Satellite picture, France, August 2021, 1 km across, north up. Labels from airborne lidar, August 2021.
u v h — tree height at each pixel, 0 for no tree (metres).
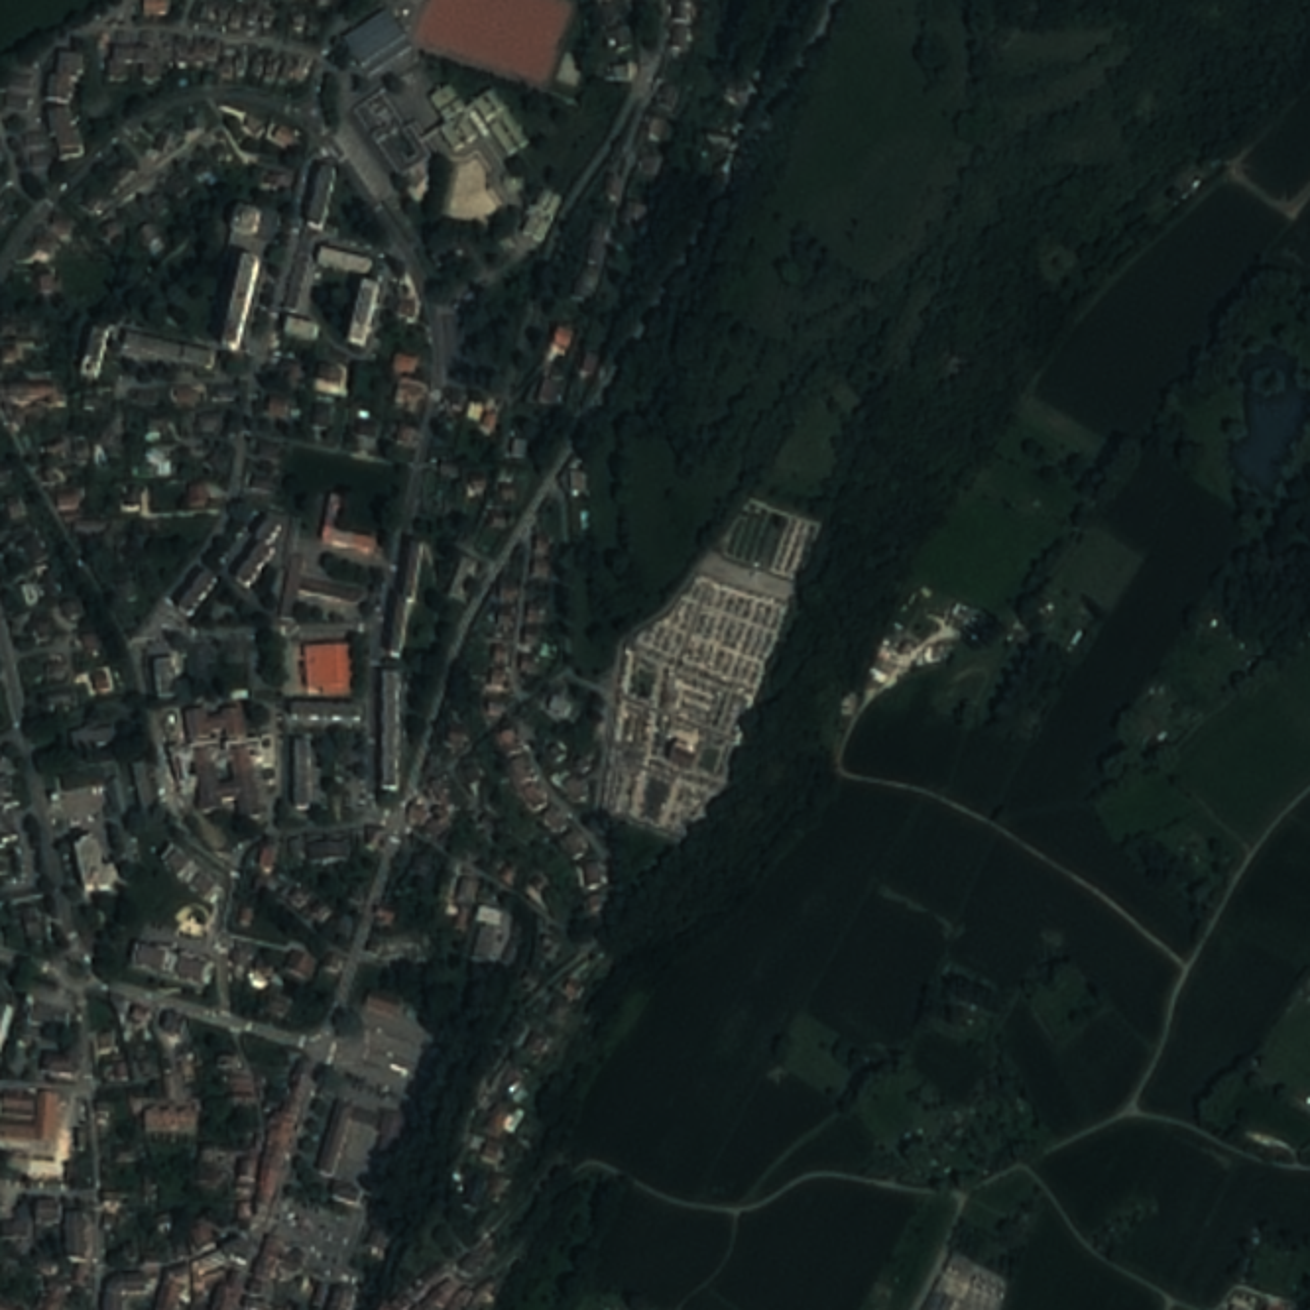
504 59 0
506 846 13
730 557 0
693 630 0
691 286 16
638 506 0
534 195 7
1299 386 16
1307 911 0
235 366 18
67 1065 0
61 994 0
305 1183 11
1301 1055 0
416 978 20
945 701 0
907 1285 0
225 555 9
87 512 6
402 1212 17
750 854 21
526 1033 8
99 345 0
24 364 5
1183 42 14
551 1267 8
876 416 18
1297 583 19
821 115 0
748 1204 0
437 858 6
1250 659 0
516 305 11
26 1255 6
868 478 15
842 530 19
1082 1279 0
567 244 6
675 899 23
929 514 21
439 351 0
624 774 0
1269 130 15
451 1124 17
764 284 0
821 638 12
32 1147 0
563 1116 18
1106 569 0
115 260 12
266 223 0
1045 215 19
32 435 0
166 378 16
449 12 0
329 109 9
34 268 7
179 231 12
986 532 0
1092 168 12
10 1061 10
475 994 15
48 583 0
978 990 18
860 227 8
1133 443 24
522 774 0
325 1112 11
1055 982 19
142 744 18
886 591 25
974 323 14
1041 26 12
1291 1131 0
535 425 10
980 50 14
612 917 18
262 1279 0
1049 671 9
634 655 0
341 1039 9
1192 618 15
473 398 9
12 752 11
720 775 0
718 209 21
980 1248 8
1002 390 11
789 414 8
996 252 17
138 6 0
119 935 13
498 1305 6
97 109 0
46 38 16
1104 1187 0
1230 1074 13
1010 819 10
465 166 0
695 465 6
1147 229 16
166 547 10
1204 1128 10
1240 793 0
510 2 0
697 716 0
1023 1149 20
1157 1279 0
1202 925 10
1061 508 0
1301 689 0
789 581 0
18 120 8
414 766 0
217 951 0
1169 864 8
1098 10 11
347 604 0
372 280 15
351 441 8
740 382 0
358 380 13
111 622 6
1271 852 0
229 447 6
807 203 0
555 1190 18
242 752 0
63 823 0
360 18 19
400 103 0
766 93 16
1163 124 14
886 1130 0
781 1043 12
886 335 14
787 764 24
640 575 12
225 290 0
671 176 8
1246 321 21
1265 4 22
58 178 10
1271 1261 0
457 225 16
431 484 0
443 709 6
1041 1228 0
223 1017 0
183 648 22
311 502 17
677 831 0
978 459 17
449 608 10
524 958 7
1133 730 14
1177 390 9
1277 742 0
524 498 0
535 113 12
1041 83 10
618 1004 11
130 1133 7
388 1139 0
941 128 0
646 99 0
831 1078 0
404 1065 0
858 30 0
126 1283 0
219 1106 12
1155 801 0
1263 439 0
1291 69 20
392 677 0
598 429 19
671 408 17
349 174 6
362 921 12
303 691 0
